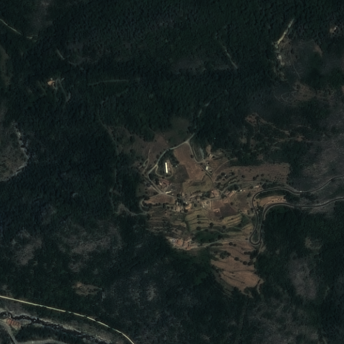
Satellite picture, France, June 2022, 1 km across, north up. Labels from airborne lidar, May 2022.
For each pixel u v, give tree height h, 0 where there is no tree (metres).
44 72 18
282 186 11
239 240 0
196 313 17
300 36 6
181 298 7
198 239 0
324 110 5
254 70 18
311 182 0
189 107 11
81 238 6
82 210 12
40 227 14
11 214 16
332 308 16
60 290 12
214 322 11
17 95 20
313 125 7
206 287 6
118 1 15
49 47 11
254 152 6
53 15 9
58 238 8
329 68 0
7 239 6
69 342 13
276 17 13
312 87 7
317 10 17
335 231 16
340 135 0
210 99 13
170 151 10
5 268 14
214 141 9
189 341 10
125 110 16
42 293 14
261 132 10
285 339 0
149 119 14
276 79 10
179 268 12
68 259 11
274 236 9
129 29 15
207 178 0
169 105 11
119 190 5
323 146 0
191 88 14
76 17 16
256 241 0
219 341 12
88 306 8
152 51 14
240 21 17
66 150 8
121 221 13
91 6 20
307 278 6
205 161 0
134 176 8
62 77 8
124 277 8
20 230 8
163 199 0
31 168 8
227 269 0
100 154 17
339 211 14
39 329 12
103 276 8
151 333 9
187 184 0
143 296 11
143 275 8
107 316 7
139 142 0
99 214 9
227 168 0
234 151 9
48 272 9
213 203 0
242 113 11
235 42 14
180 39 17
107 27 8
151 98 26
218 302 7
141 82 10
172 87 11
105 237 7
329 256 17
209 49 10
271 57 17
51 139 11
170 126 13
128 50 17
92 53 9
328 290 8
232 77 13
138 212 9
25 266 11
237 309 7
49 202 14
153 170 0
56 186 10
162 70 21
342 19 18
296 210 11
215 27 14
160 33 11
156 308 9
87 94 13
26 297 10
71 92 11
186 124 0
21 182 9
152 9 14
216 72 11
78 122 13
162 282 14
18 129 6
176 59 6
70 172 19
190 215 0
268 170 0
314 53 0
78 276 11
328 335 10
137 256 10
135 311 7
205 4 17
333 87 8
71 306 11
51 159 10
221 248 0
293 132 8
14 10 14
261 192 9
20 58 8
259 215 8
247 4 14
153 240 11
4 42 16
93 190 13
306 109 12
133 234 11
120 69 23
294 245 13
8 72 8
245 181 0
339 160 0
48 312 7
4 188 15
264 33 20
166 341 11
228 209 0
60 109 7
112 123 13
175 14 19
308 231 10
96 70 20
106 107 12
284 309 10
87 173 6
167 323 7
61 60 11
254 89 10
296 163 9
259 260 8
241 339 9
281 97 0
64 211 16
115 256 8
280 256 8
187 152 0
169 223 6
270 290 11
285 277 9
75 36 17
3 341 9
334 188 0
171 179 0
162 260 10
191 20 17
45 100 13
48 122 10
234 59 11
